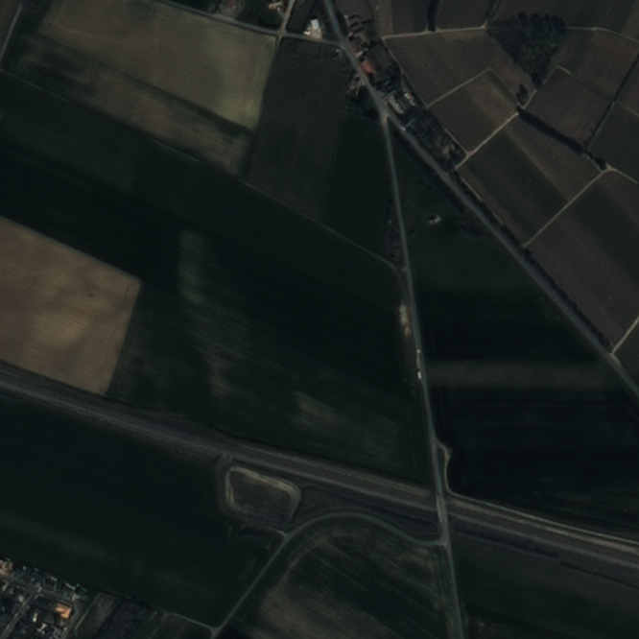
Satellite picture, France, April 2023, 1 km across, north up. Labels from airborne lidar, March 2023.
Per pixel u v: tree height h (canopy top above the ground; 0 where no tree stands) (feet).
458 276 0
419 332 0
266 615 0
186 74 0
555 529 0
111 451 0
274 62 0
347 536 0
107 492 0
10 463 0
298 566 0
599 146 0
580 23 0
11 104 0
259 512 0
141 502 0
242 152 0
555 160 0
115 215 0
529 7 0
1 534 0
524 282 0
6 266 0
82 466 0
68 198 0
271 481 0
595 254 0
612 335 0
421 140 46
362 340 0
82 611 0
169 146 0
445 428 0
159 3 0
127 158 0
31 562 0
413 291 0
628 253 0
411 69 0
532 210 0
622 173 0
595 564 0
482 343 0
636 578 0
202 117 0
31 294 0
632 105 0
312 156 0
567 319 0
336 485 0
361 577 0
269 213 0
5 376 0
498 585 0
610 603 0
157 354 0
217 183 0
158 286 0
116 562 0
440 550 0
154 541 0
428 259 0
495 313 0
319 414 0
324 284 0
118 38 0
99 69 0
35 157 0
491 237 0
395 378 0
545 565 0
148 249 0
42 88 0
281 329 0
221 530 0
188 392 0
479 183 0
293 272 0
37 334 0
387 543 0
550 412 0
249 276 0
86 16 0
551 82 0
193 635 0
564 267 0
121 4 0
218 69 0
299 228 0
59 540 0
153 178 0
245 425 0
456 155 50
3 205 0
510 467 0
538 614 0
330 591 0
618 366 0
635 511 0
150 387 0
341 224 0
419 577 0
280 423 0
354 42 0
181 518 0
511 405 0
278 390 0
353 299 0
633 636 0
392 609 0
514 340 0
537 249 0
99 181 0
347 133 0
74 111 0
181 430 0
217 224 0
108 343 0
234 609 0
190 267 0
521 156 0
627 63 0
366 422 0
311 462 0
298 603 0
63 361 0
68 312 0
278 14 0
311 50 0
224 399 0
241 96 0
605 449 0
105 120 0
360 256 0
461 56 0
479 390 0
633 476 0
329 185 0
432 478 0
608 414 0
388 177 0
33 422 0
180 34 0
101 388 0
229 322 0
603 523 0
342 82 0
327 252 0
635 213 0
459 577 0
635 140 0
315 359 0
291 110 0
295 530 0
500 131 0
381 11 0
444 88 0
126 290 0
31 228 0
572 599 0
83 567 0
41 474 0
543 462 0
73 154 0
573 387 0
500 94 0
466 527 0
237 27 0
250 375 0
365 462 0
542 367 0
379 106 0
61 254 0
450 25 0
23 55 0
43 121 0
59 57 0
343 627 0
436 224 0
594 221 0
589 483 0
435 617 0
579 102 0
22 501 0
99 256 0
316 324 0
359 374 0
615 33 0
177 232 0
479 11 0
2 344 0
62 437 0
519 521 0
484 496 0
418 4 0
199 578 0
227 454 0
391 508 0
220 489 0
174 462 0
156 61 0
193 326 0
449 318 0
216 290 0
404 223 0
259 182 0
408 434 0
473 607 0
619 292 0
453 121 0
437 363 0
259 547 0
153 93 0
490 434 0
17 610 0
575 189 0
